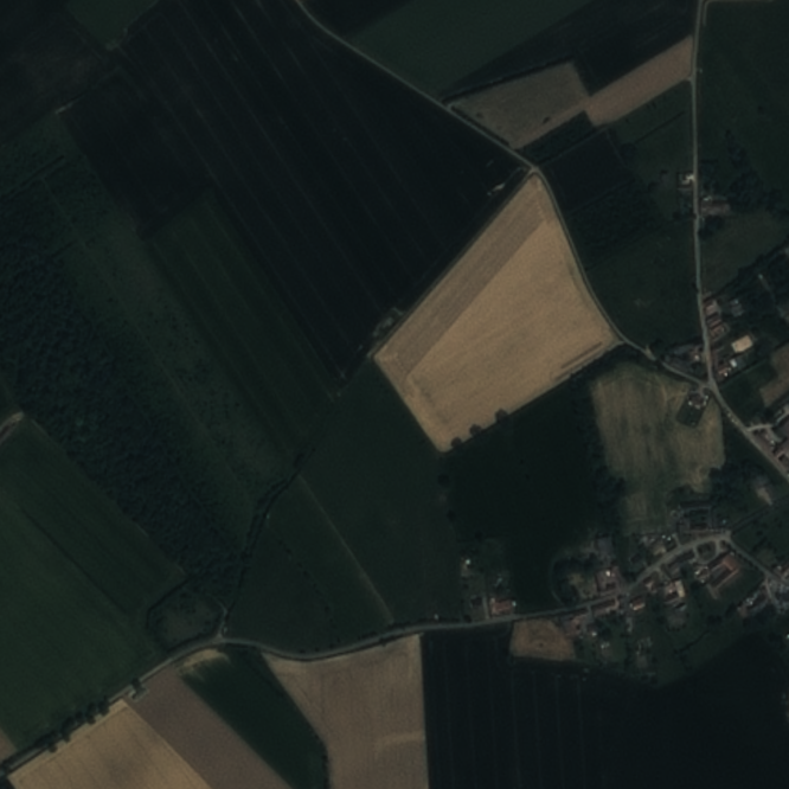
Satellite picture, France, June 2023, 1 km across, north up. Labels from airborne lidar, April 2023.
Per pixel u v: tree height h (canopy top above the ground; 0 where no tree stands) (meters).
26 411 15
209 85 0
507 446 0
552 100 0
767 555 0
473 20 0
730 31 0
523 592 0
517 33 0
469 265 0
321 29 0
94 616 0
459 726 0
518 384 0
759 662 0
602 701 0
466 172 0
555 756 0
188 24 0
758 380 0
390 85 0
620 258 0
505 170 0
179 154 0
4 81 0
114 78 0
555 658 0
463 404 0
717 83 0
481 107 0
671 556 0
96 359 18
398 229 0
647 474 0
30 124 0
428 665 0
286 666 0
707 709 0
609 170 0
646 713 0
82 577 0
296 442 0
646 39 0
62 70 0
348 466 0
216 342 0
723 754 0
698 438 0
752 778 0
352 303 0
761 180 22
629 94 0
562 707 0
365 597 0
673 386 0
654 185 9
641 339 0
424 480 0
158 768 0
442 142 0
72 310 18
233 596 9
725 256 0
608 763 0
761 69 0
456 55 0
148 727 0
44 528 0
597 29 0
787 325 6
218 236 0
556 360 0
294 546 0
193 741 0
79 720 10
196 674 0
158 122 0
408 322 0
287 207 0
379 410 0
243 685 0
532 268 0
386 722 0
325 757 7
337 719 0
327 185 0
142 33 0
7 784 0
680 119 0
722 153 0
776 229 0
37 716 0
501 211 0
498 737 0
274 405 0
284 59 0
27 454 0
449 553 0
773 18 0
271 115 0
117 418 18
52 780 0
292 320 0
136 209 0
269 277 0
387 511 0
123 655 0
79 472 0
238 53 0
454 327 0
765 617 16
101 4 0
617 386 0
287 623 0
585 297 0
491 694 0
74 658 0
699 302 0
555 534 0
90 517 0
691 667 6
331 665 0
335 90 0
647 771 0
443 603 0
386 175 0
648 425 0
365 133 0
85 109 0
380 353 0
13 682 0
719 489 9
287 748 0
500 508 0
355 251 0
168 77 0
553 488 0
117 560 0
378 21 0
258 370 0
